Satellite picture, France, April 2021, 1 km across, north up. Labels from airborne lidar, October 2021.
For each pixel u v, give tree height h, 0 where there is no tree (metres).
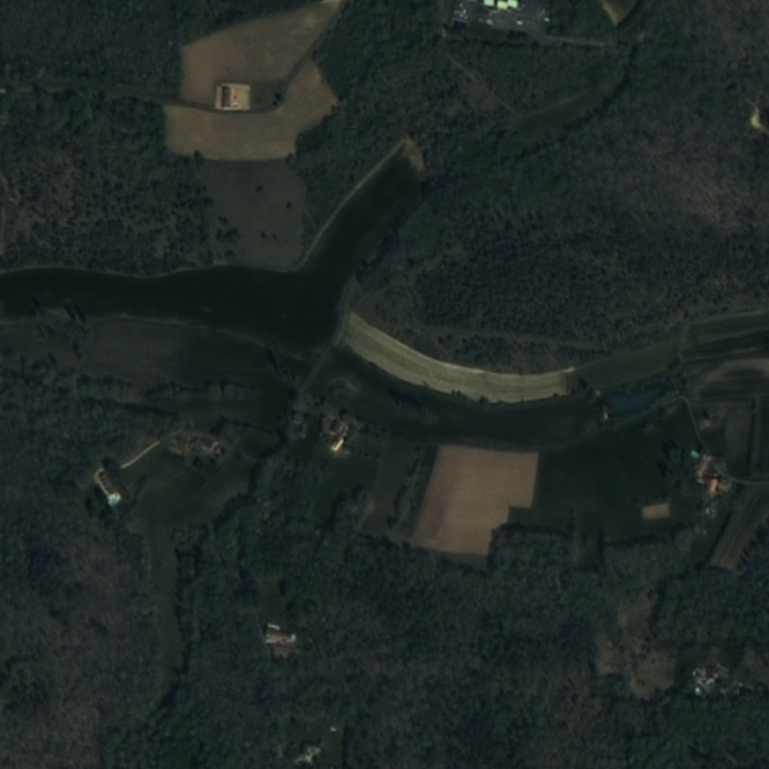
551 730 10
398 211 0
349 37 7
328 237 0
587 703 8
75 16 19
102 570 12
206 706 18
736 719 21
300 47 0
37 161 13
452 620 20
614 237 11
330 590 27
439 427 0
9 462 16
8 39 21
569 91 15
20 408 19
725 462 13
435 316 10
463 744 26
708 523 0
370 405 0
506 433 0
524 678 26
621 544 0
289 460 9
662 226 24
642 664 0
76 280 0
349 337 0
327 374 0
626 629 0
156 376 0
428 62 20
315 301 0
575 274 8
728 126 16
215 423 0
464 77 16
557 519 0
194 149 0
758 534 0
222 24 10
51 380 26
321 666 21
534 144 0
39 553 19
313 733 0
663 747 17
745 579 9
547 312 6
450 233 16
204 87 0
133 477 0
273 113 0
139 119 14
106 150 13
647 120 18
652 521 0
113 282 0
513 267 12
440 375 0
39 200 12
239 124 0
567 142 16
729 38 20
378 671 20
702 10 20
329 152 17
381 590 27
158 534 0
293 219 0
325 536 19
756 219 28
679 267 13
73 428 18
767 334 0
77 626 17
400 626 28
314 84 0
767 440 0
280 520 22
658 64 16
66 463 17
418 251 20
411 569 27
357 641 24
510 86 8
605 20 17
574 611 20
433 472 0
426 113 18
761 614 19
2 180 19
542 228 5
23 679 18
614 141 15
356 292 0
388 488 0
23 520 11
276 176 0
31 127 14
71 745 19
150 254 7
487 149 18
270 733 16
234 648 16
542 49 16
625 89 11
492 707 22
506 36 0
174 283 0
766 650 17
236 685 19
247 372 0
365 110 13
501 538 15
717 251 22
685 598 21
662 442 0
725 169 21
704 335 0
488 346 11
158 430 21
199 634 12
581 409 0
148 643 18
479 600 23
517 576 14
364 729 23
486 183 17
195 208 13
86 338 9
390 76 20
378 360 0
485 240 15
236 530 19
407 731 15
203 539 10
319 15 0
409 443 0
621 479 0
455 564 0
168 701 8
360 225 0
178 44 18
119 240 8
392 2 9
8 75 14
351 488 0
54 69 10
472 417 0
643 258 23
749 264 15
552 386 0
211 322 0
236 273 0
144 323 0
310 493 9
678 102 15
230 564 17
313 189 10
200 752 18
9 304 0
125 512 5
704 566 8
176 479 0
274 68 0
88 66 23
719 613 22
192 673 17
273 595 0
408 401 0
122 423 21
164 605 0
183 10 16
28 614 18
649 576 22
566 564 18
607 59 14
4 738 22
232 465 0
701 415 0
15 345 0
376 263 8
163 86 19
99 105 7
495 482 0
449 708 24
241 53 0
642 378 0
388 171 0
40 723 16
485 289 12
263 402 0
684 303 11
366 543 18
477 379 0
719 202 8
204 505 0
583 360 12
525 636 19
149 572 17
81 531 16
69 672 20
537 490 0
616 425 11
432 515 0
